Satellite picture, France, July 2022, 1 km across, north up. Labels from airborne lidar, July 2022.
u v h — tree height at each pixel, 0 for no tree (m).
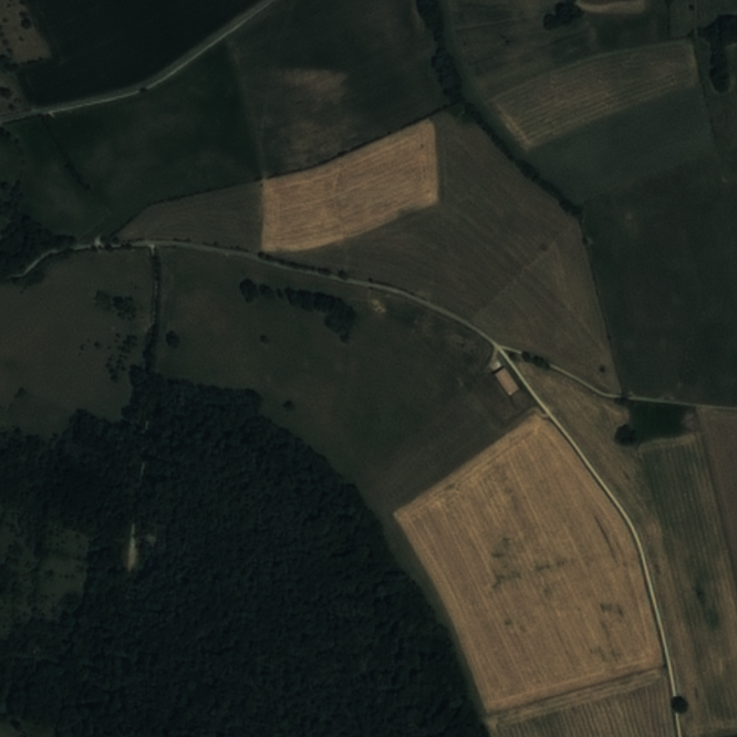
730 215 0
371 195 0
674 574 0
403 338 0
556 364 0
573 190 0
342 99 0
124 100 0
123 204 0
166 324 0
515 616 0
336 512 34
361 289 0
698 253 0
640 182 0
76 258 0
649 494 0
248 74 0
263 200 0
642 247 0
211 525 14
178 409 28
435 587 0
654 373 0
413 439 0
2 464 8
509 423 0
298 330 0
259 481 18
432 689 26
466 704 28
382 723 16
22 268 12
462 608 0
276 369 0
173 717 16
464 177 0
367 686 17
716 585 0
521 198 0
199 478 18
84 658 19
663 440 0
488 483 0
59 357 0
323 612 14
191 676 18
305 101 0
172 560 13
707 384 0
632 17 0
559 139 0
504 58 0
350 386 0
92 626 20
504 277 0
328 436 0
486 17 0
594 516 0
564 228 0
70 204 0
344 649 17
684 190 0
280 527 19
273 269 0
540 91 0
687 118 0
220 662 24
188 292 0
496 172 0
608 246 0
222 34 0
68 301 0
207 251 0
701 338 0
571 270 0
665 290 0
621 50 0
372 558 28
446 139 0
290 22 0
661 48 0
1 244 8
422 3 13
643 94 0
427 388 0
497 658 0
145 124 0
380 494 0
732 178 0
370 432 0
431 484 0
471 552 0
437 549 0
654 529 0
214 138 0
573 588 0
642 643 0
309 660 15
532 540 0
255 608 15
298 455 31
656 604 0
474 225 0
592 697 0
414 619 28
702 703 0
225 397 31
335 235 0
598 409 0
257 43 0
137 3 0
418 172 0
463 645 0
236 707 19
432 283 0
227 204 0
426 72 0
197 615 16
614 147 0
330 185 0
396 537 0
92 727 28
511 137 0
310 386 0
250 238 0
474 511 0
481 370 0
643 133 0
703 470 0
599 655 0
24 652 14
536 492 0
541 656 0
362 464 0
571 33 0
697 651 0
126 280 0
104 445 24
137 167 0
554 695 0
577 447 0
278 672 11
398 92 0
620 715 0
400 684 29
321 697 18
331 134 0
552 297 0
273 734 20
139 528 11
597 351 0
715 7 0
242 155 0
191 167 0
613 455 0
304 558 16
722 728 0
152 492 9
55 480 16
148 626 18
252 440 31
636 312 0
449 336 0
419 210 0
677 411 0
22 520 8
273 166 0
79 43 0
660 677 0
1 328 0
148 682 17
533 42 0
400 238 0
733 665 0
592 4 0
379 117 0
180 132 0
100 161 0
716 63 13
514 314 0
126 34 0
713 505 0
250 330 0
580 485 0
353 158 0
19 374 0
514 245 0
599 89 0
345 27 0
